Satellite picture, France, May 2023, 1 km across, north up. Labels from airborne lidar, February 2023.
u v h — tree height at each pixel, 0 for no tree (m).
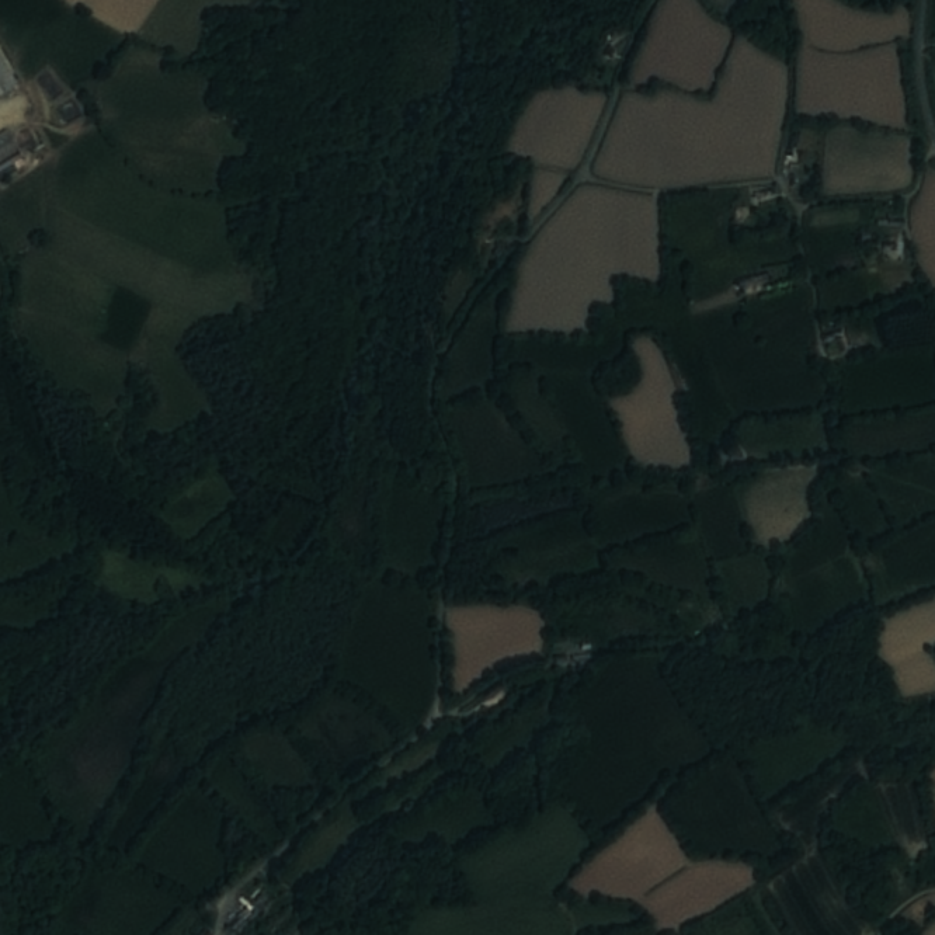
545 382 9
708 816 0
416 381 19
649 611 14
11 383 11
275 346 19
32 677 19
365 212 23
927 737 9
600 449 0
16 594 16
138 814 0
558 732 20
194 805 0
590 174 0
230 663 14
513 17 12
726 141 0
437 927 0
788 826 0
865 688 17
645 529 0
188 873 0
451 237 22
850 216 0
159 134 0
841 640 21
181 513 0
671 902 0
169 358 0
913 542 0
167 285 0
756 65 0
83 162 0
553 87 16
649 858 0
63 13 0
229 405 26
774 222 14
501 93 20
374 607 0
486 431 0
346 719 0
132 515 22
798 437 0
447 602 7
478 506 9
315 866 0
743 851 0
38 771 10
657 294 8
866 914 13
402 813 9
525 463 0
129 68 0
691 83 0
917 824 0
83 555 18
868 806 0
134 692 0
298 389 15
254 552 7
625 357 12
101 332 0
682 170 0
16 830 0
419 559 0
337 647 8
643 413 0
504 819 17
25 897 10
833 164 0
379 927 16
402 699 0
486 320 0
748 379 0
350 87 19
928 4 0
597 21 27
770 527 0
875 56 0
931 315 10
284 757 0
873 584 8
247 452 15
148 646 7
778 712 23
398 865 20
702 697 24
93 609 25
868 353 14
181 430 7
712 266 0
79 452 19
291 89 23
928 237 0
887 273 0
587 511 12
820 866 0
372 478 9
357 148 12
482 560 21
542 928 0
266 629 10
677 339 0
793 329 0
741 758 11
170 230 0
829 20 0
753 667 13
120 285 0
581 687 15
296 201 8
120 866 16
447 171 23
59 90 0
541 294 0
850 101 0
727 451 22
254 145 16
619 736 0
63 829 17
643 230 0
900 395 0
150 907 0
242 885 0
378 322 18
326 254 22
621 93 0
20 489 16
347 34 20
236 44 14
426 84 0
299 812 10
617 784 0
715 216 0
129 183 0
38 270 0
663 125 0
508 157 9
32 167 0
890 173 0
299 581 14
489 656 0
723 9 0
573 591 21
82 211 0
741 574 0
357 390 15
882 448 0
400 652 0
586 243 0
